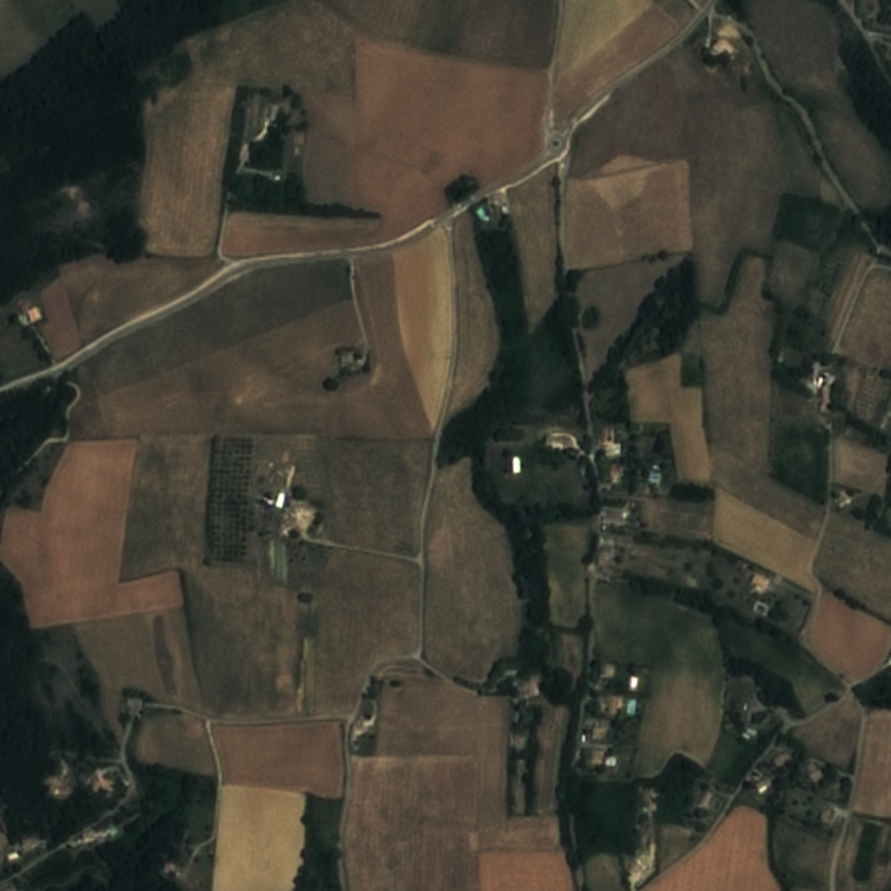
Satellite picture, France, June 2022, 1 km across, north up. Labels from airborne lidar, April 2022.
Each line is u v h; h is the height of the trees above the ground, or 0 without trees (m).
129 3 13
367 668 0
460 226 0
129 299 0
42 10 0
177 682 0
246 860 0
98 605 0
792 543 0
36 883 10
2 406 12
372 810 0
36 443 6
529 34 0
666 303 12
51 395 7
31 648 7
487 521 0
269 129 8
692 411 0
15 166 7
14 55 0
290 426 0
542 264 0
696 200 0
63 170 7
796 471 0
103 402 0
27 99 18
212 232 0
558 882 0
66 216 0
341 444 0
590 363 0
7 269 6
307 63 0
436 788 0
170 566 0
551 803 0
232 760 0
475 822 0
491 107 0
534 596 17
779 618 15
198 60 0
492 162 0
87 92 13
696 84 0
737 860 0
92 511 0
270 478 0
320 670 0
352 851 0
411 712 0
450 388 0
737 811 0
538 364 0
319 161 0
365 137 0
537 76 0
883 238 9
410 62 0
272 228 0
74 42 18
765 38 0
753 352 0
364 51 0
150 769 9
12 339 0
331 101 0
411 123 0
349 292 0
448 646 0
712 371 0
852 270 0
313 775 0
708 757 0
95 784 0
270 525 0
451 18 0
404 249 0
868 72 9
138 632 0
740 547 0
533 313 0
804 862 0
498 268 12
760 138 0
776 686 19
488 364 0
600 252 0
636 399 0
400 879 0
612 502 7
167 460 0
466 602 0
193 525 0
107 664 0
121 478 0
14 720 11
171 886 7
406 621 0
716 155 0
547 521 15
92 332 0
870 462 0
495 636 0
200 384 0
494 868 0
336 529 0
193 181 0
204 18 11
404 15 0
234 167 8
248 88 6
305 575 0
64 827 14
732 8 6
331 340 0
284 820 0
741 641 0
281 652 0
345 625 0
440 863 0
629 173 0
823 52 0
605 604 0
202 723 0
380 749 0
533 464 0
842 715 0
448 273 0
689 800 10
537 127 0
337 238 0
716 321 0
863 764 0
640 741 0
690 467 0
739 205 0
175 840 9
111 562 0
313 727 0
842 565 0
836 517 0
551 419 0
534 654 11
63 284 0
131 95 10
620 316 0
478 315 0
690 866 0
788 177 0
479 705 0
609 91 0
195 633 0
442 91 0
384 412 0
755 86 0
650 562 0
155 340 0
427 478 0
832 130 0
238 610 0
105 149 7
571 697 11
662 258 10
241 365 0
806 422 0
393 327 0
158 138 0
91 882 18
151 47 14
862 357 0
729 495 0
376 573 0
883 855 0
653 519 0
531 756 7
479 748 0
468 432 10
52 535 0
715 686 0
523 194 0
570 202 0
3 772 11
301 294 0
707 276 0
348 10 0
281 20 0
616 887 0
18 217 5
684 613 0
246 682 0
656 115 0
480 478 8
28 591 0
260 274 0
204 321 0
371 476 0
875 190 0
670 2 0
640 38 0
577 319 12
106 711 0
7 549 0
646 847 0
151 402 0
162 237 0
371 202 0
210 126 0
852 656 0
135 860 19
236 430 0
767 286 7
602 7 0
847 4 0
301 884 12
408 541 0
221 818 0
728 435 0
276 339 0
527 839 0
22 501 7
